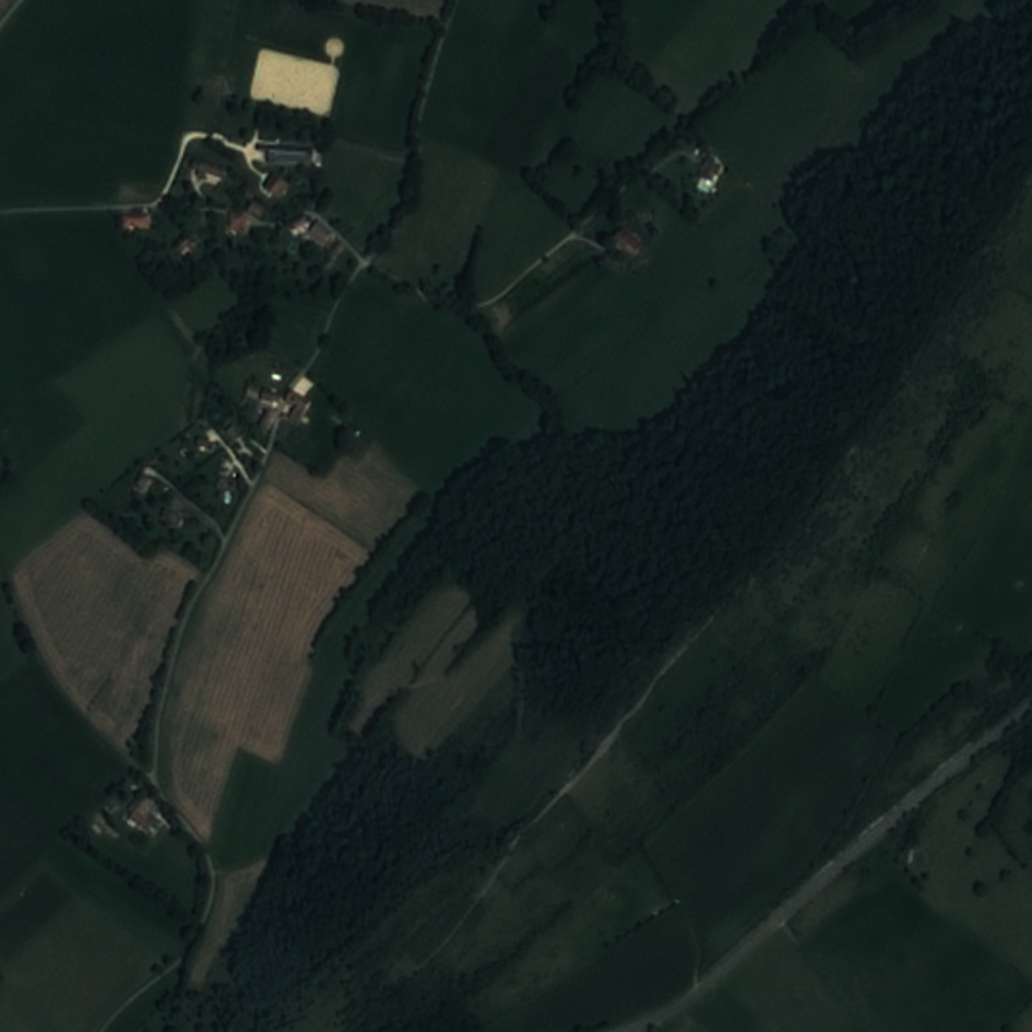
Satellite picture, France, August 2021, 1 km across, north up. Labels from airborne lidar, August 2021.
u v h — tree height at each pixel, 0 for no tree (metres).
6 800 0
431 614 0
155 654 0
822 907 0
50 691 0
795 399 31
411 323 0
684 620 20
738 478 24
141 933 0
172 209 17
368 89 0
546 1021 0
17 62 0
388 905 15
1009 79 24
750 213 0
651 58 0
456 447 0
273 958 11
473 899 6
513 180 0
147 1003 0
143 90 0
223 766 0
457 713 0
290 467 0
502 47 0
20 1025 0
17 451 0
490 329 17
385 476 0
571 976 0
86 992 0
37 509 0
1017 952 0
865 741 0
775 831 0
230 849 0
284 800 0
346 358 0
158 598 0
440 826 9
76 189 0
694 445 24
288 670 0
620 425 0
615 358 0
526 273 0
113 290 0
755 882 0
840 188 25
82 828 13
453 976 7
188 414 0
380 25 15
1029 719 15
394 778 16
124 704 0
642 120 0
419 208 9
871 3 0
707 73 0
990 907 0
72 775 0
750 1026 0
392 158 0
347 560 0
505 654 0
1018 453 0
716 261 0
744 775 0
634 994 0
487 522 23
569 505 24
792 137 0
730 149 0
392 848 20
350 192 0
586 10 0
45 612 0
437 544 15
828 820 0
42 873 0
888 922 0
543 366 0
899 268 25
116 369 0
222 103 0
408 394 0
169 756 0
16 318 0
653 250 0
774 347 20
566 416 6
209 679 0
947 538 0
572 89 11
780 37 22
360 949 11
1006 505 0
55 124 0
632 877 0
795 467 23
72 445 0
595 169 0
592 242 0
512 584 23
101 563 0
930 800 11
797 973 0
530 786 0
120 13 0
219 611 0
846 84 0
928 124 29
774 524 15
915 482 12
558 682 13
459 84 0
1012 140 30
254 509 0
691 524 24
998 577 0
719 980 0
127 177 0
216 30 0
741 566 18
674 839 0
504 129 0
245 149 0
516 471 20
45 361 0
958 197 29
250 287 12
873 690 0
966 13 0
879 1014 0
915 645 0
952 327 7
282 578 0
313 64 0
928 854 0
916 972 0
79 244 0
